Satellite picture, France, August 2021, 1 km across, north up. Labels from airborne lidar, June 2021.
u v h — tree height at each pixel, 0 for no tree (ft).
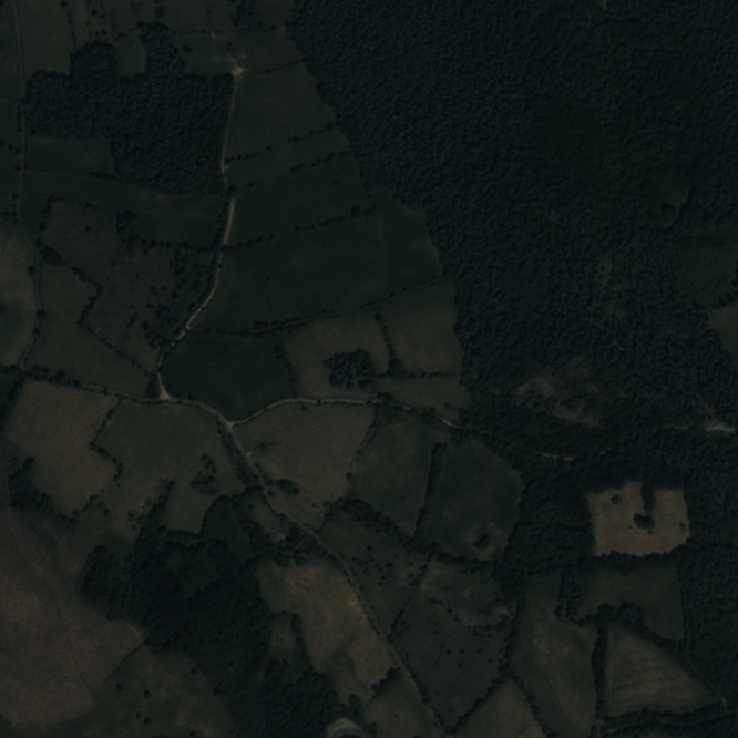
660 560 44
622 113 50
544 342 32
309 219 0
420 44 55
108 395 23
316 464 0
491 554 0
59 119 70
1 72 0
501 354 28
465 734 0
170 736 0
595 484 58
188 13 0
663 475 45
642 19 29
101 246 0
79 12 0
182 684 0
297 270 0
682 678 0
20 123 26
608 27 48
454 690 0
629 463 45
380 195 0
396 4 52
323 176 0
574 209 36
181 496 0
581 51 47
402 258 0
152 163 76
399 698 0
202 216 0
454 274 25
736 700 31
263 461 0
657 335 57
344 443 0
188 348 0
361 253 0
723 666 30
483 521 0
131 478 0
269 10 0
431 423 31
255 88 0
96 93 57
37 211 0
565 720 0
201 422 0
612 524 0
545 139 48
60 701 0
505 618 21
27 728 0
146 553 31
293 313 0
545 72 49
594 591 0
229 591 69
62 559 0
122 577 44
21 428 0
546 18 49
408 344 0
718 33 63
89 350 0
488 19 48
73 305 0
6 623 0
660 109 33
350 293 0
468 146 37
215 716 0
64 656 0
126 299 0
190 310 19
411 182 47
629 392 31
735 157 53
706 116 52
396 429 0
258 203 0
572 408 30
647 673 0
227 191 26
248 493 32
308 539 23
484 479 0
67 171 0
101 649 0
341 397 0
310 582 0
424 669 0
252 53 0
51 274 0
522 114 52
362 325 0
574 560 21
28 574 0
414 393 0
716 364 34
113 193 0
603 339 36
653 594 0
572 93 47
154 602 50
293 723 42
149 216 0
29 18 0
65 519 22
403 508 0
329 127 27
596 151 34
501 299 30
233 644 27
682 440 47
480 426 25
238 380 0
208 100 51
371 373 24
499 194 43
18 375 41
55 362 0
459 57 62
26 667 0
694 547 36
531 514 26
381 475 0
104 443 0
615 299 26
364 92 54
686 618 30
